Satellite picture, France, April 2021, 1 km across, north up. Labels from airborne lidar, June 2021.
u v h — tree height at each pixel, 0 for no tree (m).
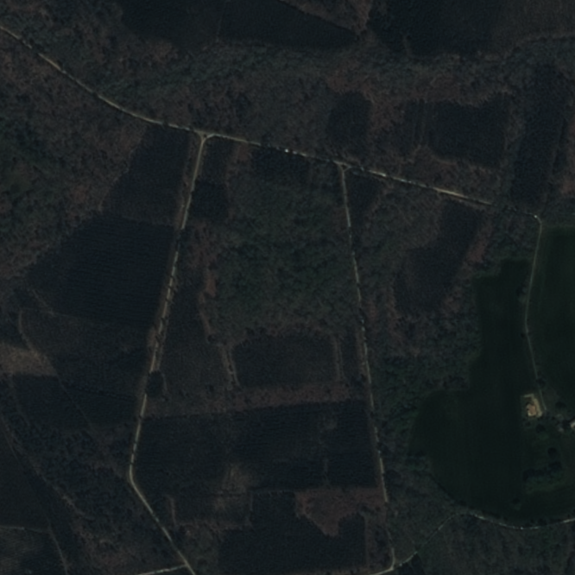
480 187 11
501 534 14
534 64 19
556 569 17
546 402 0
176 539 19
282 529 11
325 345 12
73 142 12
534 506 0
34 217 22
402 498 19
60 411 11
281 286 12
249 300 20
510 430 0
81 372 11
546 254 0
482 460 0
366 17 11
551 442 0
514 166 12
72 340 9
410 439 14
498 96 12
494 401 0
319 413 9
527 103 7
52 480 19
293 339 11
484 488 0
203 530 13
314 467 11
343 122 11
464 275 9
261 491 10
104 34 12
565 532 15
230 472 0
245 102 17
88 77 7
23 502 6
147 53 8
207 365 9
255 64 11
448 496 16
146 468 9
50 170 19
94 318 12
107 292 13
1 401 19
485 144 11
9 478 7
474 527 22
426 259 11
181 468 10
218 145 11
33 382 8
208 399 5
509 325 0
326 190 14
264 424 11
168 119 12
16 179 0
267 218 18
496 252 19
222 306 17
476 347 14
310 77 10
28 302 9
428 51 13
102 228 11
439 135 10
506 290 0
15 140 21
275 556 13
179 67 22
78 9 21
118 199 8
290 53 12
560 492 0
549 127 17
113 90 16
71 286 12
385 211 12
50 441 16
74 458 20
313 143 15
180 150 11
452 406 0
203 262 11
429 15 11
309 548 12
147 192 13
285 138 12
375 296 16
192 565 13
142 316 13
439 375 18
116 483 12
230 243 17
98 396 15
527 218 17
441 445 0
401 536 15
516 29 8
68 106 8
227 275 22
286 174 17
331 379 8
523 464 0
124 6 11
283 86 13
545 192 15
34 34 20
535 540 16
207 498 10
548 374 0
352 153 8
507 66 11
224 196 17
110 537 19
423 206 12
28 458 6
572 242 0
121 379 14
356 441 12
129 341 10
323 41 10
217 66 19
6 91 10
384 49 8
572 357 0
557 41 11
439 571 13
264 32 12
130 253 13
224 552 13
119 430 7
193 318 13
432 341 19
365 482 10
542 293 0
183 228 0
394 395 21
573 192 8
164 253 11
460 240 11
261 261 22
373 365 15
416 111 12
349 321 11
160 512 17
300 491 12
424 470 17
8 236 14
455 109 12
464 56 10
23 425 18
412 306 10
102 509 18
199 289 12
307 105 11
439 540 18
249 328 14
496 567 11
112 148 12
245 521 11
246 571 11
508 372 0
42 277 8
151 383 12
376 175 8
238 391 9
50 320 9
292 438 11
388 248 18
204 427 9
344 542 12
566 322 0
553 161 16
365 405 11
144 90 19
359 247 14
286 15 12
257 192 17
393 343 12
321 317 18
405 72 20
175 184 11
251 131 16
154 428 10
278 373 10
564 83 16
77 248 10
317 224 13
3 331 17
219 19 9
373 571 11
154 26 9
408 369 16
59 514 13
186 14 10
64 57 12
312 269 24
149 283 11
